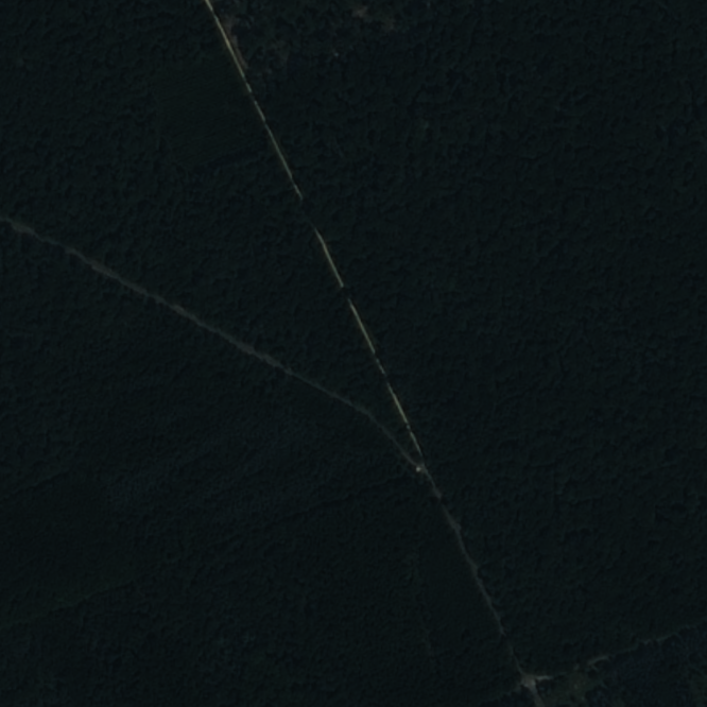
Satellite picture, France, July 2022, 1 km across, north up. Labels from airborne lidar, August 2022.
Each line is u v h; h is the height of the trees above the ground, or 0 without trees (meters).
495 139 26
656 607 23
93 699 21
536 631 29
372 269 25
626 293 24
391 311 24
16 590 25
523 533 26
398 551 26
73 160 22
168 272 21
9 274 21
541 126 25
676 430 24
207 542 18
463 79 27
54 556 24
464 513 17
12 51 23
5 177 20
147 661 27
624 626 24
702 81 27
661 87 26
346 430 13
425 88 25
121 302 19
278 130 24
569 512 25
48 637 22
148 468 17
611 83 24
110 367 18
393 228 23
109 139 22
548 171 30
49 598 27
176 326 16
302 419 14
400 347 23
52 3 22
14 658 16
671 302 24
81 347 20
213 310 19
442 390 23
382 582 25
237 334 18
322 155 24
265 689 24
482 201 24
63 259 27
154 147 18
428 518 16
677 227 24
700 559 27
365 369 25
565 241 24
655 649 19
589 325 24
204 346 20
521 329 22
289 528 20
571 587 18
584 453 25
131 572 24
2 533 23
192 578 8
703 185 26
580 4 26
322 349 26
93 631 20
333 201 26
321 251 28
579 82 27
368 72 24
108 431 19
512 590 26
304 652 25
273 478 17
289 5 28
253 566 24
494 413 20
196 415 19
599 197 27
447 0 26
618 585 29
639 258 26
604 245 22
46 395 25
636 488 26
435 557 13
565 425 25
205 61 6
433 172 23
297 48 21
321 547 24
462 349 21
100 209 18
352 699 22
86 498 24
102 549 28
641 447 23
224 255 26
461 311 24
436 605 14
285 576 27
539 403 27
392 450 11
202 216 20
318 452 19
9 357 16
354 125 28
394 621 23
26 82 24
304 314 21
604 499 29
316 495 15
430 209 24
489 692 24
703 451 22
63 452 23
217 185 21
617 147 26
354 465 14
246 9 0
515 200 28
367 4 20
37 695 13
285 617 23
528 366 24
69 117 20
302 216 24
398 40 23
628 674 19
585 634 22
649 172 28
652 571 19
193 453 14
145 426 18
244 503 17
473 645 18
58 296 21
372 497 23
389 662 23
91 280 25
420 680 23
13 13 23
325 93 28
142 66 25
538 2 24
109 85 21
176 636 19
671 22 29
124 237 28
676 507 28
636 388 24
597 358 15
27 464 23
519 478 18
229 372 16
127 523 22
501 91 27
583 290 19
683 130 27
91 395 18
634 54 30
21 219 21
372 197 20
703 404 23
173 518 16
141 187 21
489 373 29
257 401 15
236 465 18
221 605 21
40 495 22
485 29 24
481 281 24
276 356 16
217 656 18
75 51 20
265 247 16
